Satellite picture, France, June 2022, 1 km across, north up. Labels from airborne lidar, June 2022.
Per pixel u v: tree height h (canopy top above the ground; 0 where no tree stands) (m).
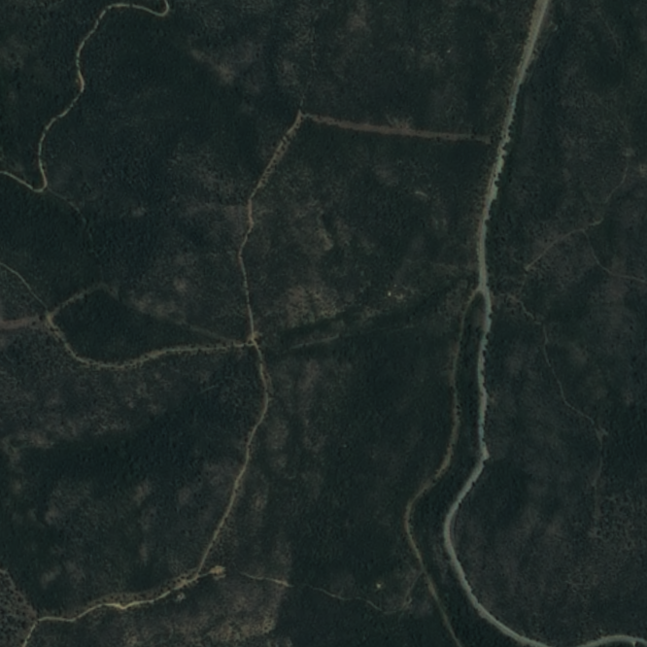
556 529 0
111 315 6
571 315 9
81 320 11
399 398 6
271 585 0
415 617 8
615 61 8
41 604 8
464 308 7
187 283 0
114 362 6
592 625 6
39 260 7
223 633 0
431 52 8
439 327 0
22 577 6
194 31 10
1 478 8
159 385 6
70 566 0
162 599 6
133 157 8
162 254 6
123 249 9
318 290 0
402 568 8
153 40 9
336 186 7
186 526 0
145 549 0
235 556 5
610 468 7
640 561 6
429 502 7
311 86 7
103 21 8
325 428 7
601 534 10
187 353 8
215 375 8
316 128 8
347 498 10
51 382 6
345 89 10
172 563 0
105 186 8
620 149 6
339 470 10
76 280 7
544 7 0
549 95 8
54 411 8
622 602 7
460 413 9
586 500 6
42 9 7
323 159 8
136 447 6
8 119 7
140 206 9
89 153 8
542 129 7
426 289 8
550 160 8
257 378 6
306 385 0
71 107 7
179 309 0
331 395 7
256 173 6
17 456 0
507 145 7
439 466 7
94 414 7
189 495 0
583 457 8
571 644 7
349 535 8
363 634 7
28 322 0
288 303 0
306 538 7
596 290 7
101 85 6
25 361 8
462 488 7
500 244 8
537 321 6
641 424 8
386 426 7
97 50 6
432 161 8
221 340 6
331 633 9
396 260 8
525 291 6
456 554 0
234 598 0
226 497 0
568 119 8
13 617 8
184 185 10
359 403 10
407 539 8
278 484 9
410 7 7
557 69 7
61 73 7
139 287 7
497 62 7
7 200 8
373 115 8
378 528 6
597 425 6
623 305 0
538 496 0
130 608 6
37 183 11
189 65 7
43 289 5
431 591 0
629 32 7
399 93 10
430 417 9
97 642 9
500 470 7
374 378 9
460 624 8
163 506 6
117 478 9
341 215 7
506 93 6
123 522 7
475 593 9
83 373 7
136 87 7
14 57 8
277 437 0
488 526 6
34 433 0
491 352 8
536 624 7
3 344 0
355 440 6
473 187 8
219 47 10
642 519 6
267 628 0
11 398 5
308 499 6
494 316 9
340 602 8
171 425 6
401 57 8
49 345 9
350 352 11
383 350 8
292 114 6
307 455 6
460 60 5
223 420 7
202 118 6
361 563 10
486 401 0
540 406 6
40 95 7
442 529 6
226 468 0
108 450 12
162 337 0
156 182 8
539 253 0
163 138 8
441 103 0
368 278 8
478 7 6
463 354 9
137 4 6
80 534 7
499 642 6
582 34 6
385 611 7
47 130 10
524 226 6
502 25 7
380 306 8
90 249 8
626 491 6
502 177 9
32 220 7
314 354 9
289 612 9
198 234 6
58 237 9
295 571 8
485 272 0
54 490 8
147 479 6
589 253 0
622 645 8
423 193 0
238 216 0
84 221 10
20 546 6
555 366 7
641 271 0
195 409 10
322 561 10
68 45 9
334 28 6
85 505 6
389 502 8
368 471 6
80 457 8
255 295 7
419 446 6
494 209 6
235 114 8
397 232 7
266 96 6
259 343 7
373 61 7
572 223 7
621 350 0
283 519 8
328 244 0
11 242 6
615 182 0
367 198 6
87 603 6
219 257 0
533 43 0
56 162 7
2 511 7
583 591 6
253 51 0
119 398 6
